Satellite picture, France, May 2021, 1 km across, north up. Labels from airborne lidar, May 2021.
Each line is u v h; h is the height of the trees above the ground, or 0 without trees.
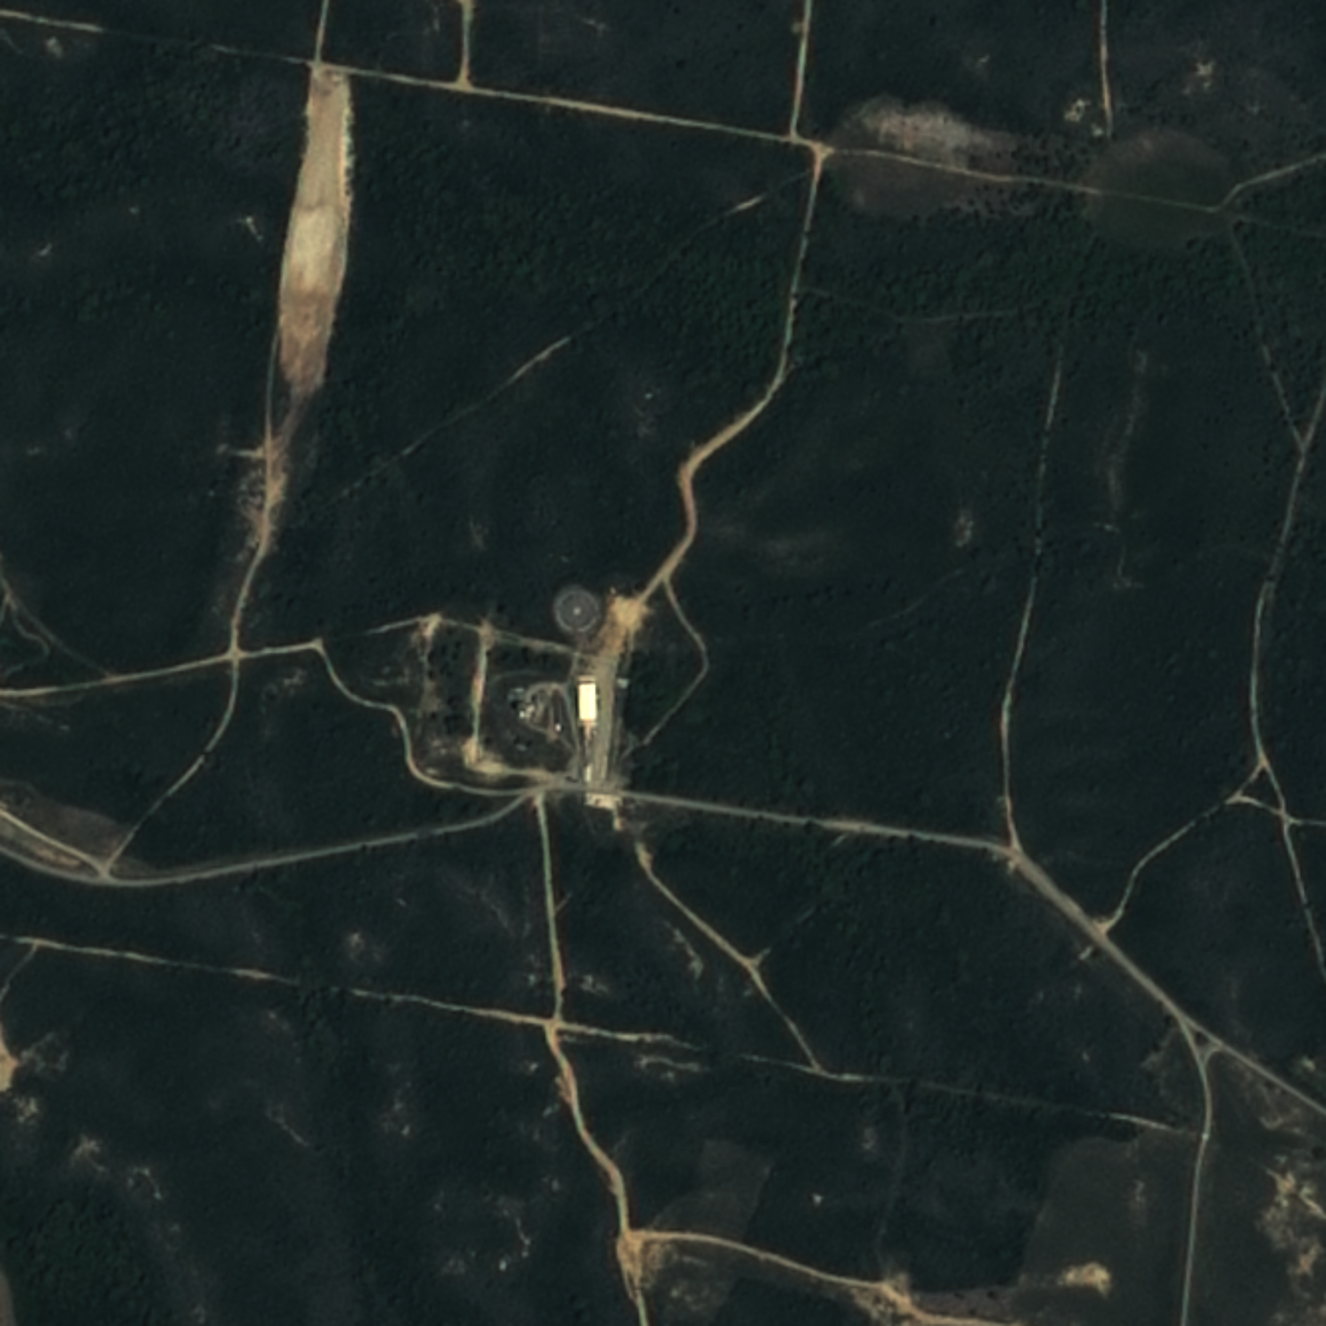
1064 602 6
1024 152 7
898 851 8
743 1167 0
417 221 7
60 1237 6
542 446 6
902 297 6
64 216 5
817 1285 0
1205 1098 0
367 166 10
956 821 7
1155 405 0
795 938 7
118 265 7
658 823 0
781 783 8
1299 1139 0
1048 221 8
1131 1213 0
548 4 0
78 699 0
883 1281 0
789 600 7
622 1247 0
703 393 6
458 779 0
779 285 13
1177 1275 0
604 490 8
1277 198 6
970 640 7
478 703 0
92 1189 10
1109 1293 0
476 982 6
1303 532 9
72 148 10
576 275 7
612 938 7
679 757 6
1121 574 0
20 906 7
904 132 0
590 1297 6
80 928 7
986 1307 0
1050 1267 0
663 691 10
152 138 6
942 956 6
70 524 5
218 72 8
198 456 0
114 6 6
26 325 5
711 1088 5
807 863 10
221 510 6
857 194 0
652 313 6
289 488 0
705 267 6
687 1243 0
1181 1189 0
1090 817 5
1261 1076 0
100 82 8
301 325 0
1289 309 10
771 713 8
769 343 9
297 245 0
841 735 6
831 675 7
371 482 7
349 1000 10
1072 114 0
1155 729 6
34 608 0
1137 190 0
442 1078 5
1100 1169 0
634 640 0
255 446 0
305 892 5
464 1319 6
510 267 11
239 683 0
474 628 0
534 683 0
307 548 8
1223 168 0
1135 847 6
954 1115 8
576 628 0
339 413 11
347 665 0
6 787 0
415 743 0
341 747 5
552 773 0
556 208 7
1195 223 0
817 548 0
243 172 7
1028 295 5
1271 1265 0
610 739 0
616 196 6
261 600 0
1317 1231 0
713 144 6
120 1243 10
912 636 9
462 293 5
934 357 0
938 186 0
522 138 8
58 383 5
